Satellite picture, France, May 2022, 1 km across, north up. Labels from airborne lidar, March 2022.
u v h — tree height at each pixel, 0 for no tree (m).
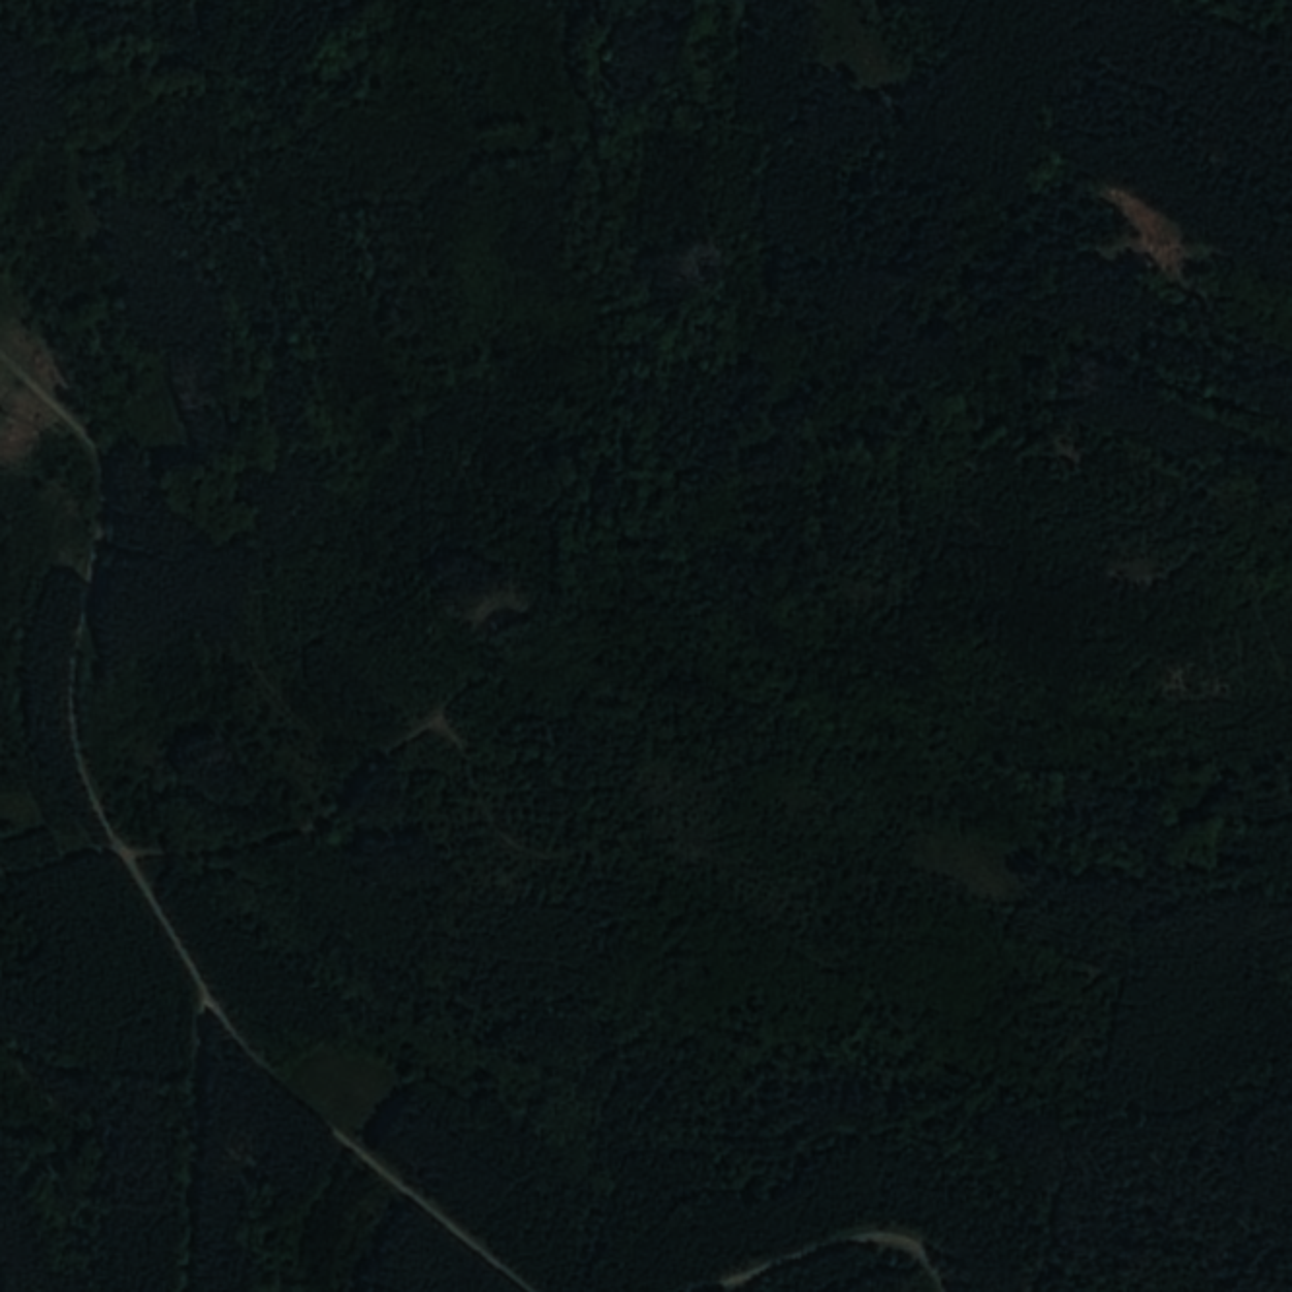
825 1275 12
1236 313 24
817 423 9
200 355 28
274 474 20
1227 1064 20
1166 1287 11
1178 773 14
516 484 12
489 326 9
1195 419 25
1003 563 12
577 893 11
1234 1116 14
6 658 11
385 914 10
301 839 11
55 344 24
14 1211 24
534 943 13
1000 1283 25
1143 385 24
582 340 12
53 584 19
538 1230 16
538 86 12
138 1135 24
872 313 27
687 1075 16
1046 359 11
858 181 16
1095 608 10
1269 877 18
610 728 14
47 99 25
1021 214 23
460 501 16
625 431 22
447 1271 20
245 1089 27
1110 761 10
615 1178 17
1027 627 9
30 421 0
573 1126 21
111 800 6
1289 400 28
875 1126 18
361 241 11
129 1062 15
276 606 8
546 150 23
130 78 30
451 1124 17
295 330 21
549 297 17
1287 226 27
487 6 9
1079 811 17
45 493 17
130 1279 18
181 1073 10
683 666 8
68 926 14
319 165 10
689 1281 17
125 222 23
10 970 8
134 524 28
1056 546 7
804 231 19
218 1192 27
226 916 12
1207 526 9
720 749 10
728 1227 19
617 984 17
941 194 29
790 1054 7
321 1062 0
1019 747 10
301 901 11
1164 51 20
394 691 7
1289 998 19
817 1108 26
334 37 18
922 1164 18
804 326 24
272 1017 13
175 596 28
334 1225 17
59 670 20
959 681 10
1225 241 23
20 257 21
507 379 12
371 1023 21
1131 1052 17
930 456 8
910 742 9
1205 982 16
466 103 13
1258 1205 13
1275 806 7
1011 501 8
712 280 26
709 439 12
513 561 13
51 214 8
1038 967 8
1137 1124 24
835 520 11
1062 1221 17
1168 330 21
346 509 13
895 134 20
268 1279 26
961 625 11
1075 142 24
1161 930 22
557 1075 18
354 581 8
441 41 8
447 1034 10
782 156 19
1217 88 22
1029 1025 10
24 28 23
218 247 12
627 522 25
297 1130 26
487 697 7
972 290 23
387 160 9
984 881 0
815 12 25
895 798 8
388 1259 20
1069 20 19
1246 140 19
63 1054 13
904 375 24
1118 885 24
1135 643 11
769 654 12
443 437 15
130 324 24
